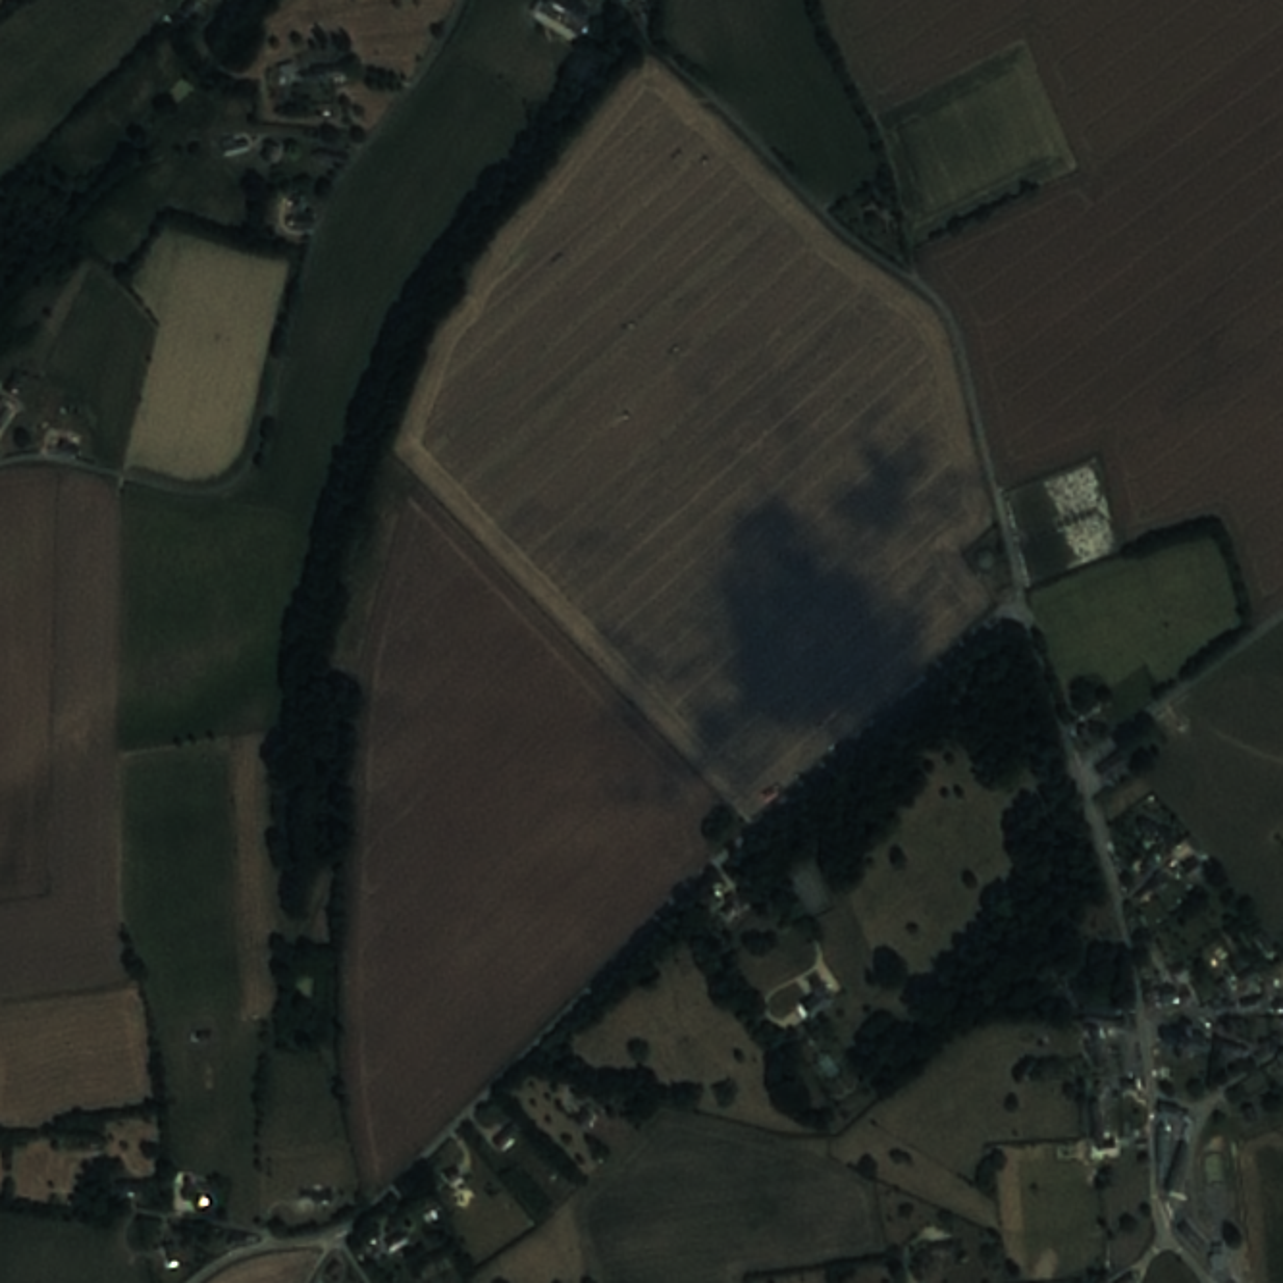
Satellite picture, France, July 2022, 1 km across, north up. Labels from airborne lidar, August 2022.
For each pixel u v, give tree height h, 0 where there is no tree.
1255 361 0
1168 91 0
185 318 0
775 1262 0
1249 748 0
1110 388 0
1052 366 0
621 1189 0
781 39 0
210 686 0
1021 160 0
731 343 0
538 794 0
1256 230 0
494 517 0
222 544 0
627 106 0
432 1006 0
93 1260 0
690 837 0
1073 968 12
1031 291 0
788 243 0
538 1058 12
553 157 17
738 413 0
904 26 0
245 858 0
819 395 0
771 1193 0
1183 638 0
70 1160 0
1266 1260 0
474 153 0
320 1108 0
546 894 0
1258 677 0
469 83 0
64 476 0
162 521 0
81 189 9
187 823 0
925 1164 0
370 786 0
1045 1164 0
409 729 0
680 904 17
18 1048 0
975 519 0
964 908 0
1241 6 0
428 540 0
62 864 0
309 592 17
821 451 0
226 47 18
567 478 0
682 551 0
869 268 0
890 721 14
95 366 0
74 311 0
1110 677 0
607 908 0
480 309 0
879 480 0
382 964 0
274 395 0
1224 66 0
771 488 0
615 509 0
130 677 0
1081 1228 0
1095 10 0
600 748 0
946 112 0
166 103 17
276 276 0
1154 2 0
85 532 0
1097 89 0
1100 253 0
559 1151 13
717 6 0
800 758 0
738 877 14
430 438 0
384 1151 0
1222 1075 12
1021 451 0
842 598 0
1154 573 0
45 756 0
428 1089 0
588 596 0
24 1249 0
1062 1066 9
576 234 0
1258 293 0
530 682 0
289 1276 0
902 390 0
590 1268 0
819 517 0
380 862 0
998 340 0
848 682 0
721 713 0
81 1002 0
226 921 0
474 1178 0
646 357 0
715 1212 0
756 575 0
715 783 0
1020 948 29
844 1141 0
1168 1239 0
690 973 0
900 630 0
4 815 0
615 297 0
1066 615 0
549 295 0
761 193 0
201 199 0
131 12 0
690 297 0
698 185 0
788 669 0
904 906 0
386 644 0
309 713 23
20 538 0
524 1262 0
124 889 0
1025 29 0
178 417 0
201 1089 0
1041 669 19
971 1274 0
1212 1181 0
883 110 0
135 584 0
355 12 0
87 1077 0
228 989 0
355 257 0
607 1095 11
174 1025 0
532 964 0
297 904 31
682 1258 0
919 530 0
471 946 0
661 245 0
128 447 0
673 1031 0
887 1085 19
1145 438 0
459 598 0
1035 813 23
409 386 20
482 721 0
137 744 0
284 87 0
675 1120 0
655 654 0
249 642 0
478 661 0
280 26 0
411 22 0
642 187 0
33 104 0
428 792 0
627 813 0
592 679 0
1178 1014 0
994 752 18
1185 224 0
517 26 0
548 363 0
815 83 0
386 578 0
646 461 0
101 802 0
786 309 0
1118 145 0
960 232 10
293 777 25
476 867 0
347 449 8
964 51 0
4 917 0
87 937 0
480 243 17
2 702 0
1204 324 0
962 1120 0
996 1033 0
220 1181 6
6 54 0
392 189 0
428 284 19
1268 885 0
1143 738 18
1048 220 0
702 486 0
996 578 0
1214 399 0
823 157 0
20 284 13
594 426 0
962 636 0
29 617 0
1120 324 0
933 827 0
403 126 0
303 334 0
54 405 0
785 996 0
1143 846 8
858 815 16
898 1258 8
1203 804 0
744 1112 0
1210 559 0
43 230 26
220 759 0
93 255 7
